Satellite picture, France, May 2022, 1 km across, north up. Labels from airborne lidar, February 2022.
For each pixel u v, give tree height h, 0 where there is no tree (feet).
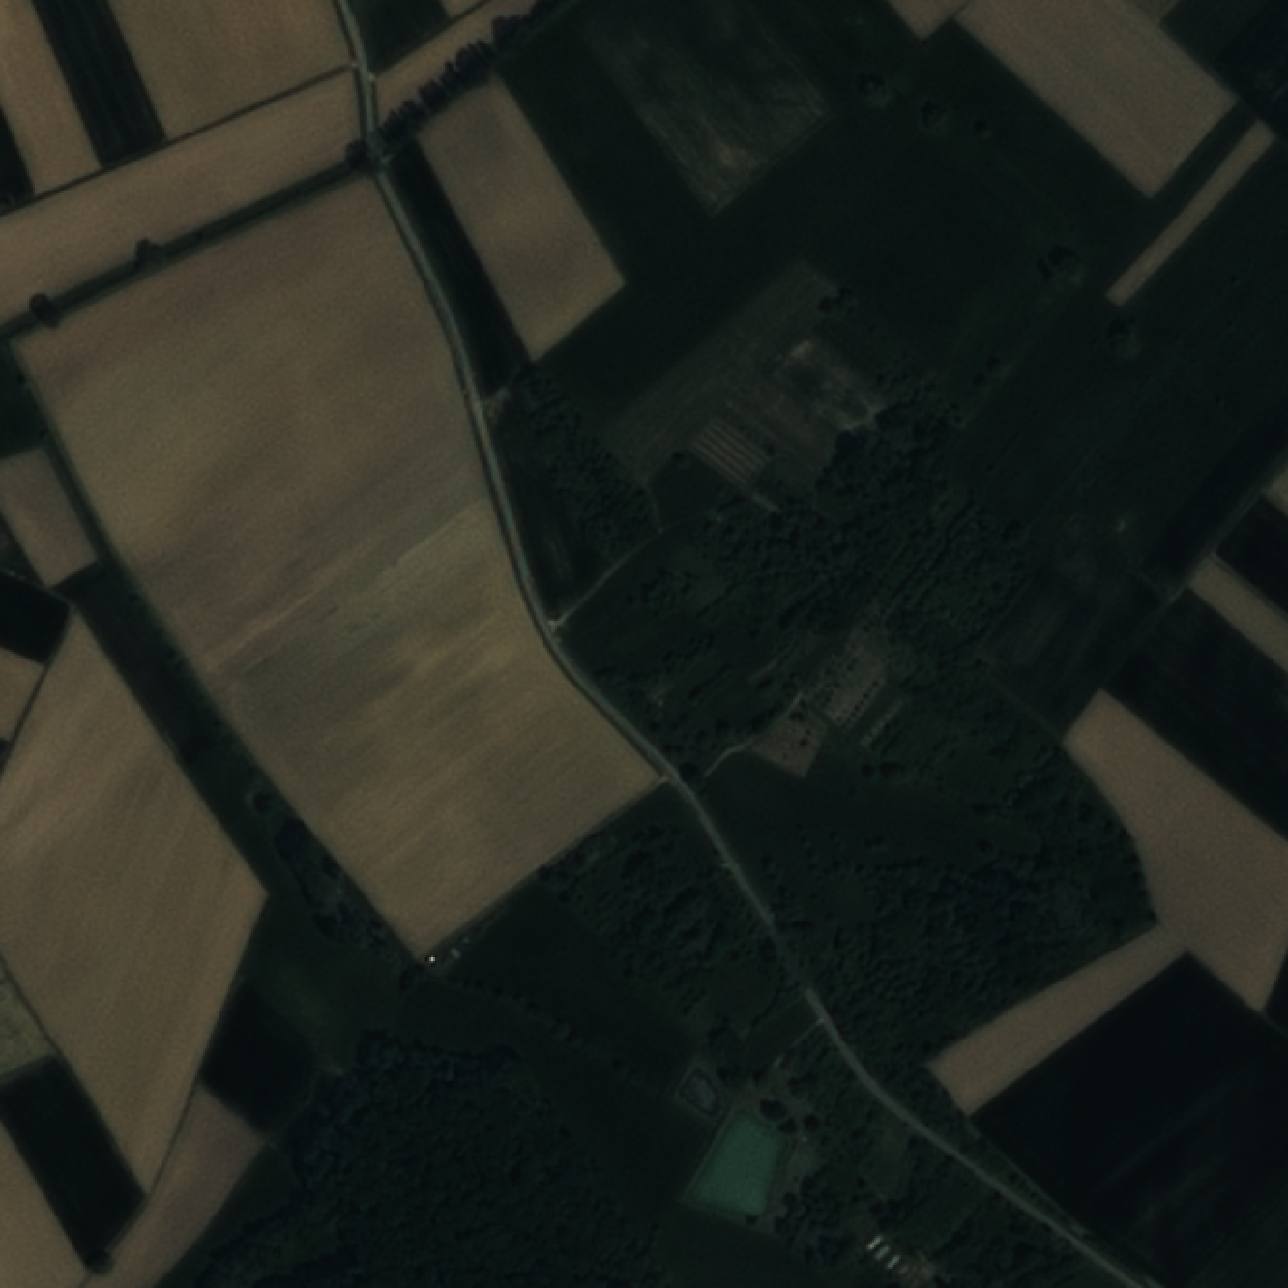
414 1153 108
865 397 0
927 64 0
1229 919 0
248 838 0
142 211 0
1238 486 0
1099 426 0
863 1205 19
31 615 0
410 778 0
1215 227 0
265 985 0
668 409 0
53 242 0
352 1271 58
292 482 0
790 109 0
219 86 0
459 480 0
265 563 0
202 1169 0
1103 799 0
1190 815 0
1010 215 0
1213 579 0
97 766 0
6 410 0
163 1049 0
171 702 0
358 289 0
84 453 0
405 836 0
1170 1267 0
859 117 0
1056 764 34
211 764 0
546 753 0
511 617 0
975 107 0
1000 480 0
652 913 41
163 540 0
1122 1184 0
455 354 0
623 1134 0
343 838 0
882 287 0
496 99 0
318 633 0
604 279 0
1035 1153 0
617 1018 0
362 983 0
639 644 0
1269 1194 0
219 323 0
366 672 0
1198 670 0
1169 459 0
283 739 0
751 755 0
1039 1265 50
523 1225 96
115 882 0
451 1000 0
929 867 34
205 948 0
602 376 0
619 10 0
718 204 0
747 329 0
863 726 0
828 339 0
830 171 0
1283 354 0
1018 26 0
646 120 0
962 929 23
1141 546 0
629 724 0
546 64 0
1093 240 0
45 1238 0
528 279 0
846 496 25
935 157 0
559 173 0
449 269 0
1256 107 0
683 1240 0
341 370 0
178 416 0
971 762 0
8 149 0
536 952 0
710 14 0
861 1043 41
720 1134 0
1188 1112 0
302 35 0
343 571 0
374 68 0
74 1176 0
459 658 0
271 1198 0
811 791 0
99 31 0
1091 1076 0
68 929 0
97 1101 0
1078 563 0
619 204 0
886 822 0
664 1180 0
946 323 0
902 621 24
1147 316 0
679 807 0
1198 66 0
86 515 0
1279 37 0
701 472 0
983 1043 0
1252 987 0
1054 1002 0
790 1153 0
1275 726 0
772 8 0
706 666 0
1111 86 0
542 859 0
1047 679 0
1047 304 0
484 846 0
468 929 0
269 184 0
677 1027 0
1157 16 0
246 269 0
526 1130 85
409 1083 93
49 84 0
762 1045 0
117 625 0
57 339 0
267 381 0
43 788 0
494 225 0
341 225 0
